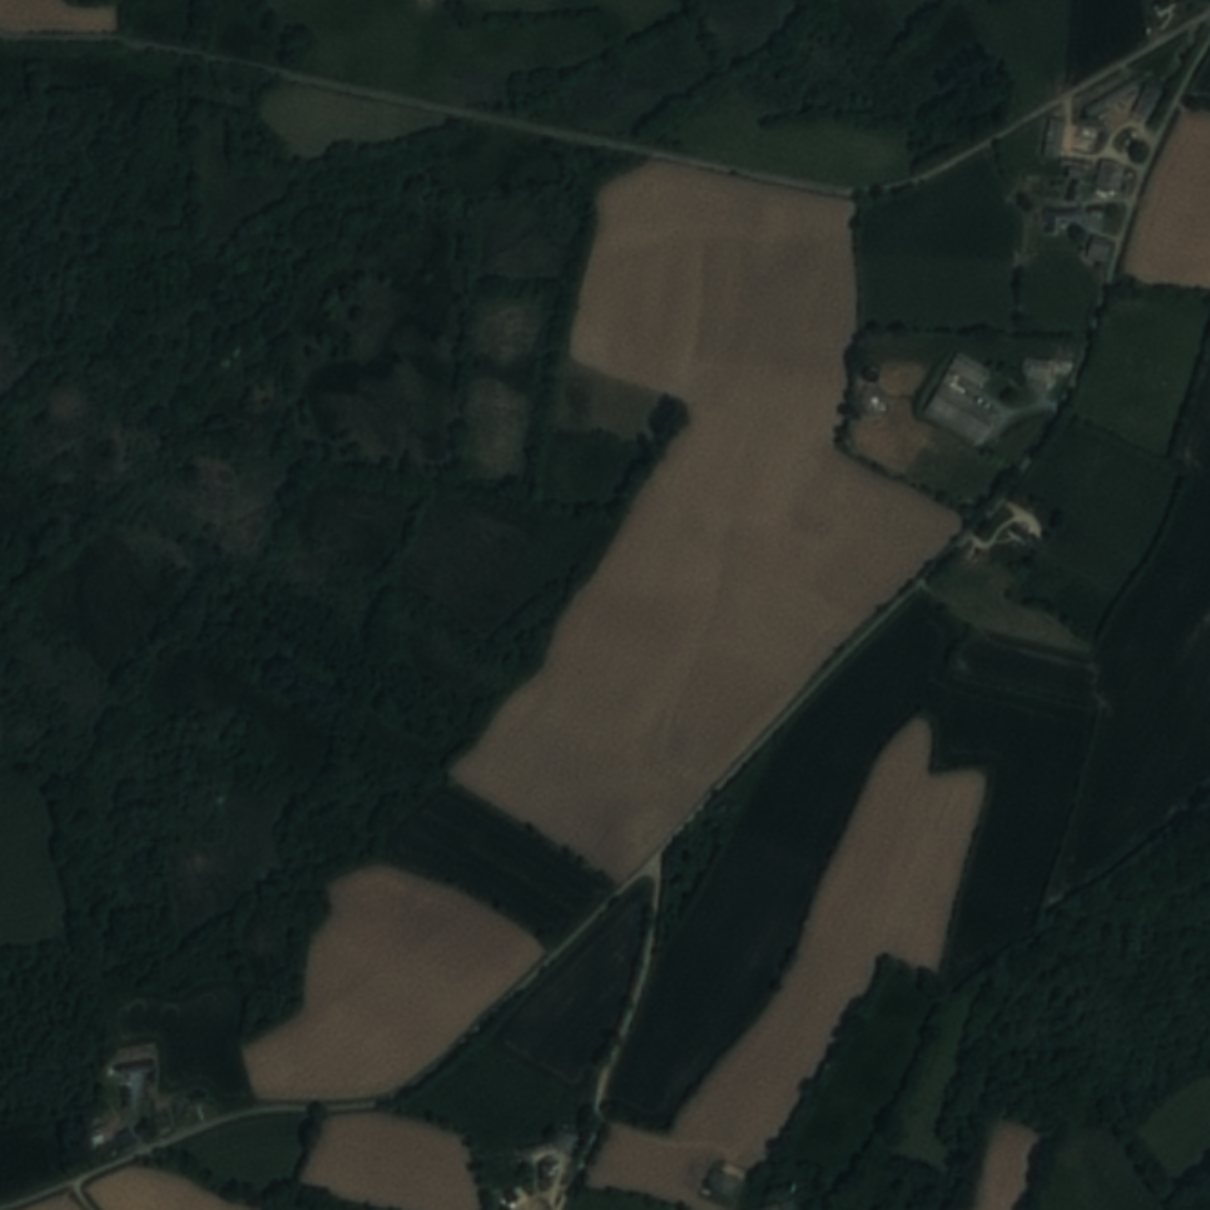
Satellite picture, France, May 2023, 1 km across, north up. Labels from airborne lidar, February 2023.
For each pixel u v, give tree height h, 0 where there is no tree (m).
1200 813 20
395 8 0
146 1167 7
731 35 0
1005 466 9
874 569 0
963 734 0
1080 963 13
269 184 0
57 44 8
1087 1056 7
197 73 14
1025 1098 18
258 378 8
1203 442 0
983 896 0
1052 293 0
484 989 0
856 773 0
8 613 9
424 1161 0
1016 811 0
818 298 0
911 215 0
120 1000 0
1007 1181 0
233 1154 0
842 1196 19
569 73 10
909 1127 0
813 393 0
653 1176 0
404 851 0
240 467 5
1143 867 17
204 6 14
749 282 0
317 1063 0
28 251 14
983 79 20
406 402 0
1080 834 0
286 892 13
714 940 0
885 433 0
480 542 0
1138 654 0
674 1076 0
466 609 0
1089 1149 0
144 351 20
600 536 0
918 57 0
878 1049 0
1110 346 0
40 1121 7
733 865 0
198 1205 0
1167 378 0
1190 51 6
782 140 0
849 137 0
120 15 6
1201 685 0
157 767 7
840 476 0
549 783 0
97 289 14
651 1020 0
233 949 6
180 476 8
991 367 7
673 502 0
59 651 6
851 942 0
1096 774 0
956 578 0
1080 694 0
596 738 0
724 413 0
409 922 0
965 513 10
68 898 8
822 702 0
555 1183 0
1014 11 0
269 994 10
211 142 0
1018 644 0
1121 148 0
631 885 0
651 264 0
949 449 0
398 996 0
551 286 11
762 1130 0
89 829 11
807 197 0
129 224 10
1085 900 15
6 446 6
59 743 6
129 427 11
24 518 0
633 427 0
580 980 0
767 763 0
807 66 6
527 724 0
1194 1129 0
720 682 0
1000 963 10
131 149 13
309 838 12
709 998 0
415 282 0
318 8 0
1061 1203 0
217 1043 0
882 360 0
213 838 8
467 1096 0
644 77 0
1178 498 8
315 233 13
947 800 0
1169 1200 20
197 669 0
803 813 0
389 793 6
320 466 18
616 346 0
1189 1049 13
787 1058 0
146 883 11
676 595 0
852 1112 0
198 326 16
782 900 0
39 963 8
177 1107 0
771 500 0
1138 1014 9
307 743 0
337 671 22
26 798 0
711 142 0
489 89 0
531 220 0
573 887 0
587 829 0
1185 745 0
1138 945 10
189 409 5
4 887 0
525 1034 0
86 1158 15
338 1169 0
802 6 10
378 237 11
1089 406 0
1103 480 0
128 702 12
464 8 10
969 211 0
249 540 0
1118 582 0
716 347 0
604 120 0
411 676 16
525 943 0
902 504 0
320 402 0
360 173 9
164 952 8
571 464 0
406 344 0
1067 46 0
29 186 12
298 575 0
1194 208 0
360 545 0
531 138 0
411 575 0
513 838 0
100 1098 10
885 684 0
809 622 0
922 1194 16
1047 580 0
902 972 11
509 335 0
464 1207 0
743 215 0
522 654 8
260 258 9
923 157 8
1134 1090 12
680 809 0
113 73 0
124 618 0
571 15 8
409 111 0
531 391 0
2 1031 7
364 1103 0
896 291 0
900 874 0
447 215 9
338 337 0
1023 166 0
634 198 0
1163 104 8
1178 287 7
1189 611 0
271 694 7
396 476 13
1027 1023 11
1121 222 0
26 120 7
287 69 11
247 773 8
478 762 0
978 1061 17
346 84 0
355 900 0
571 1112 0
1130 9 0
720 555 0
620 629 0
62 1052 9
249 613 9
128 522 6
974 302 0
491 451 0
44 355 6
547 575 0
